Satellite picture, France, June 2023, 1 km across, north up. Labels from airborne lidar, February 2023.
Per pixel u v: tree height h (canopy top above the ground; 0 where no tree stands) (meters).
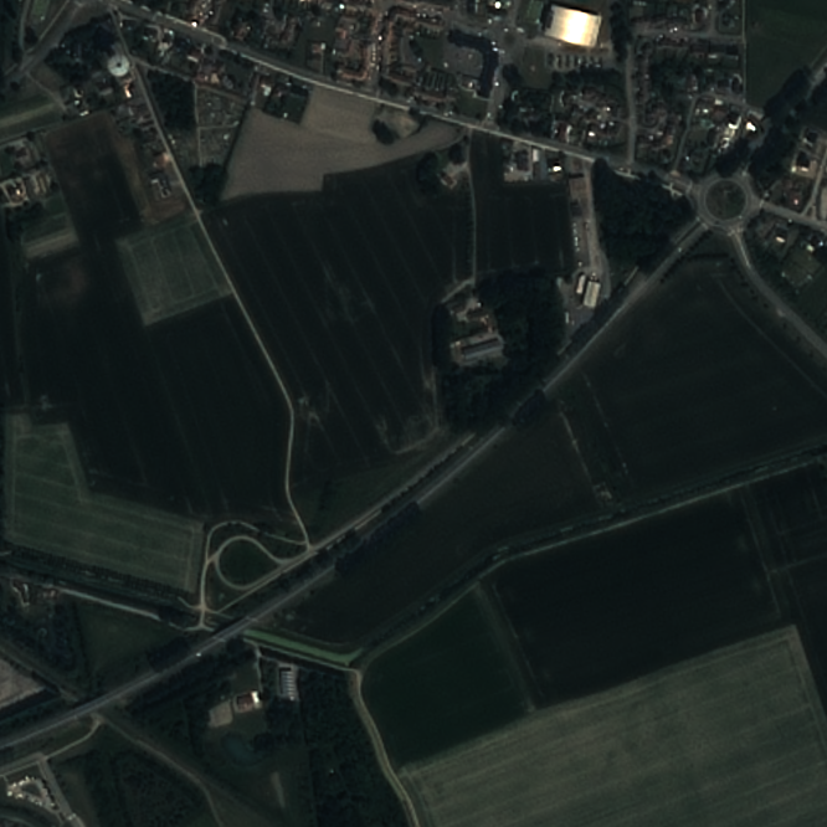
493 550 0
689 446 0
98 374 0
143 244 0
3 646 0
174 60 0
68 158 0
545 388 0
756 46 0
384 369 0
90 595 0
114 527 0
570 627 0
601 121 0
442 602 0
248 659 13
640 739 0
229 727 0
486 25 0
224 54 7
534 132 10
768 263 6
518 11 0
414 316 0
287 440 0
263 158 0
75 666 15
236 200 0
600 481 0
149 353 0
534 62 0
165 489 0
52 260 0
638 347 0
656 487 0
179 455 0
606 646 0
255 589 0
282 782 0
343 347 0
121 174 0
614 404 0
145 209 0
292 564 0
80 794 0
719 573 0
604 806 0
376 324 0
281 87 0
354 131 0
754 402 0
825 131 0
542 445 0
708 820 0
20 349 0
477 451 0
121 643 0
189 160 0
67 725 0
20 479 0
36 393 0
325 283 0
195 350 0
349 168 0
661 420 0
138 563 0
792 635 0
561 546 0
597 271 0
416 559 0
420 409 0
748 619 0
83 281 0
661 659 0
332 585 0
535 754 0
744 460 0
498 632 0
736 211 0
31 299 0
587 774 0
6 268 0
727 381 0
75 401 0
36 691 0
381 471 0
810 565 0
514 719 0
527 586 0
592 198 0
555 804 0
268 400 0
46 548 0
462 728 0
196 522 0
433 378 0
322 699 14
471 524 0
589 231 0
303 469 0
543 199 0
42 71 0
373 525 0
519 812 0
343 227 0
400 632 0
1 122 0
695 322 0
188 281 0
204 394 0
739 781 0
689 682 0
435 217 0
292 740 19
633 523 0
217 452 0
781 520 0
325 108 0
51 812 0
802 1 0
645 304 0
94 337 0
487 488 0
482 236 0
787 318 0
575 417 0
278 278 0
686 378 0
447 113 0
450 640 0
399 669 0
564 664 0
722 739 0
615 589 0
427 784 0
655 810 0
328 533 0
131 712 6
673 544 0
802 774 0
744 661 0
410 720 0
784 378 0
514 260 0
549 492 0
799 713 0
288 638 0
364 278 0
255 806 0
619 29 22
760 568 0
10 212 10
